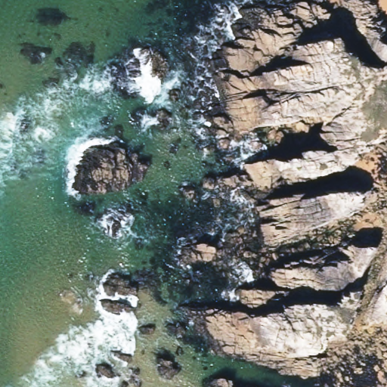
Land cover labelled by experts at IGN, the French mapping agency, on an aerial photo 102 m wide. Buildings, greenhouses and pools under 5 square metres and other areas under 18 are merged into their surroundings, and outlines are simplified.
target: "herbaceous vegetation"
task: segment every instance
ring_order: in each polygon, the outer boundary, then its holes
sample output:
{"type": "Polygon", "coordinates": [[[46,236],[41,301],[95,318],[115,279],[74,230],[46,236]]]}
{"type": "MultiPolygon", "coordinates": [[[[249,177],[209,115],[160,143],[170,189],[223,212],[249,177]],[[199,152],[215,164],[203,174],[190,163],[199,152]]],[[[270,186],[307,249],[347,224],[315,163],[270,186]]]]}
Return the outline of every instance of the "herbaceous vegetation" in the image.
{"type": "Polygon", "coordinates": [[[375,387],[378,376],[373,367],[382,363],[381,358],[376,355],[363,355],[357,352],[354,363],[349,363],[348,355],[345,354],[336,366],[330,367],[320,375],[327,379],[325,387],[375,387]]]}

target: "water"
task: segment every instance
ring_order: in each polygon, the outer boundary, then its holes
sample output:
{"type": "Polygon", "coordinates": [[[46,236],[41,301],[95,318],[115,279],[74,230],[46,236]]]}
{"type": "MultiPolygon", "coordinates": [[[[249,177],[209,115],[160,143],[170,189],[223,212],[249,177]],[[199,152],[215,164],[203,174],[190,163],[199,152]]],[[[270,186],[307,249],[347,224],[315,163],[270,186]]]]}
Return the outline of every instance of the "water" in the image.
{"type": "Polygon", "coordinates": [[[215,236],[209,236],[212,222],[215,221],[210,215],[215,207],[213,201],[207,198],[192,203],[183,193],[178,193],[178,184],[187,186],[192,181],[201,181],[204,184],[209,181],[204,175],[206,172],[221,172],[233,168],[234,159],[240,156],[240,148],[219,148],[216,136],[200,139],[197,133],[193,132],[186,141],[175,138],[174,141],[166,141],[163,139],[165,133],[151,132],[150,125],[159,122],[154,116],[163,113],[165,107],[171,103],[168,92],[169,89],[180,85],[181,71],[186,73],[189,79],[195,77],[195,60],[190,57],[190,53],[197,51],[197,44],[206,44],[203,36],[197,36],[198,26],[209,26],[210,20],[218,14],[215,11],[216,3],[225,9],[230,6],[231,0],[0,0],[0,387],[325,387],[327,379],[320,375],[301,378],[298,375],[281,375],[278,369],[255,364],[254,361],[246,360],[242,354],[219,357],[210,354],[210,343],[215,339],[213,336],[201,336],[192,325],[189,325],[190,317],[187,314],[190,310],[184,307],[197,299],[218,301],[222,290],[234,290],[236,293],[243,290],[242,286],[228,278],[228,274],[233,271],[231,266],[219,268],[210,262],[195,262],[190,269],[168,268],[169,263],[174,260],[172,254],[177,251],[178,237],[192,234],[200,245],[204,243],[215,248],[222,236],[222,230],[219,230],[215,236]],[[159,53],[168,63],[172,73],[171,80],[160,82],[159,94],[154,95],[151,103],[147,103],[139,92],[128,92],[127,89],[118,86],[121,77],[125,77],[125,60],[133,56],[135,48],[159,53]],[[110,144],[107,139],[110,136],[116,136],[116,142],[119,144],[135,147],[142,145],[144,153],[151,156],[151,165],[145,172],[144,180],[133,181],[128,189],[119,192],[80,195],[73,184],[77,165],[82,160],[83,153],[94,145],[110,144]],[[136,237],[112,239],[104,233],[101,218],[109,209],[116,210],[124,216],[133,215],[132,230],[135,231],[136,237]],[[121,272],[119,278],[128,281],[128,287],[133,290],[132,295],[106,293],[104,283],[113,272],[121,272]],[[101,299],[127,299],[132,307],[128,311],[113,314],[101,305],[101,299]],[[165,349],[171,352],[181,367],[180,372],[171,379],[160,376],[157,370],[157,352],[165,349]]]}

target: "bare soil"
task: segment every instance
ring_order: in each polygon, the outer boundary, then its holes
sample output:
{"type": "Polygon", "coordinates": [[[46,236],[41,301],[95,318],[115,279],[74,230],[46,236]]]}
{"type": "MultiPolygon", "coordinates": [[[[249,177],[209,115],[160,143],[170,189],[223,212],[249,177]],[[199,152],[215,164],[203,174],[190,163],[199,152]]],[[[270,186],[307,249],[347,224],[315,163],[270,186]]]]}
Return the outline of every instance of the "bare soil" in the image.
{"type": "Polygon", "coordinates": [[[127,89],[128,92],[139,92],[147,103],[151,103],[154,95],[159,94],[160,82],[171,80],[172,73],[168,63],[159,53],[135,48],[133,56],[125,60],[125,77],[121,77],[118,86],[127,89]]]}
{"type": "Polygon", "coordinates": [[[242,354],[246,360],[254,361],[255,364],[278,369],[281,375],[298,375],[301,378],[320,375],[330,367],[336,366],[345,354],[348,355],[349,363],[354,363],[357,352],[363,355],[376,355],[381,358],[382,363],[373,367],[378,376],[375,387],[387,387],[387,0],[231,0],[230,6],[225,9],[216,3],[215,11],[218,14],[210,20],[209,26],[198,26],[197,36],[203,36],[206,44],[197,44],[197,51],[190,53],[190,57],[195,60],[195,77],[189,79],[186,73],[181,71],[180,85],[169,89],[168,92],[171,103],[165,107],[163,113],[154,116],[159,122],[150,125],[151,132],[165,133],[163,139],[166,141],[174,141],[175,138],[186,141],[193,132],[197,133],[200,139],[216,136],[219,148],[240,148],[240,156],[234,159],[233,168],[221,172],[206,172],[204,175],[209,181],[204,184],[201,181],[192,181],[187,186],[178,184],[178,193],[183,193],[192,203],[207,198],[213,201],[215,207],[210,215],[215,221],[212,222],[209,236],[215,236],[219,230],[222,230],[222,236],[215,248],[204,243],[200,245],[192,234],[178,237],[177,251],[172,254],[174,260],[169,263],[168,268],[190,269],[195,262],[210,262],[219,268],[231,266],[233,271],[228,274],[228,278],[242,286],[243,290],[236,293],[234,290],[222,290],[218,301],[197,299],[184,307],[190,310],[187,314],[190,317],[189,325],[192,325],[201,336],[213,336],[215,339],[210,343],[210,354],[219,357],[242,354]]]}
{"type": "Polygon", "coordinates": [[[104,283],[106,293],[132,295],[133,290],[128,287],[128,281],[119,278],[121,272],[113,272],[104,283]]]}
{"type": "Polygon", "coordinates": [[[135,231],[132,230],[133,215],[124,216],[116,210],[109,209],[101,218],[104,233],[112,239],[136,237],[135,231]]]}
{"type": "Polygon", "coordinates": [[[128,311],[132,307],[127,299],[101,299],[101,305],[113,314],[128,311]]]}
{"type": "Polygon", "coordinates": [[[165,349],[157,352],[157,370],[160,376],[171,379],[180,372],[181,367],[171,352],[165,349]]]}
{"type": "Polygon", "coordinates": [[[94,145],[83,153],[82,160],[77,165],[73,184],[80,195],[119,192],[128,189],[133,181],[144,180],[145,172],[151,165],[151,156],[144,153],[142,145],[135,147],[119,144],[116,142],[116,136],[110,136],[107,139],[110,144],[94,145]]]}

